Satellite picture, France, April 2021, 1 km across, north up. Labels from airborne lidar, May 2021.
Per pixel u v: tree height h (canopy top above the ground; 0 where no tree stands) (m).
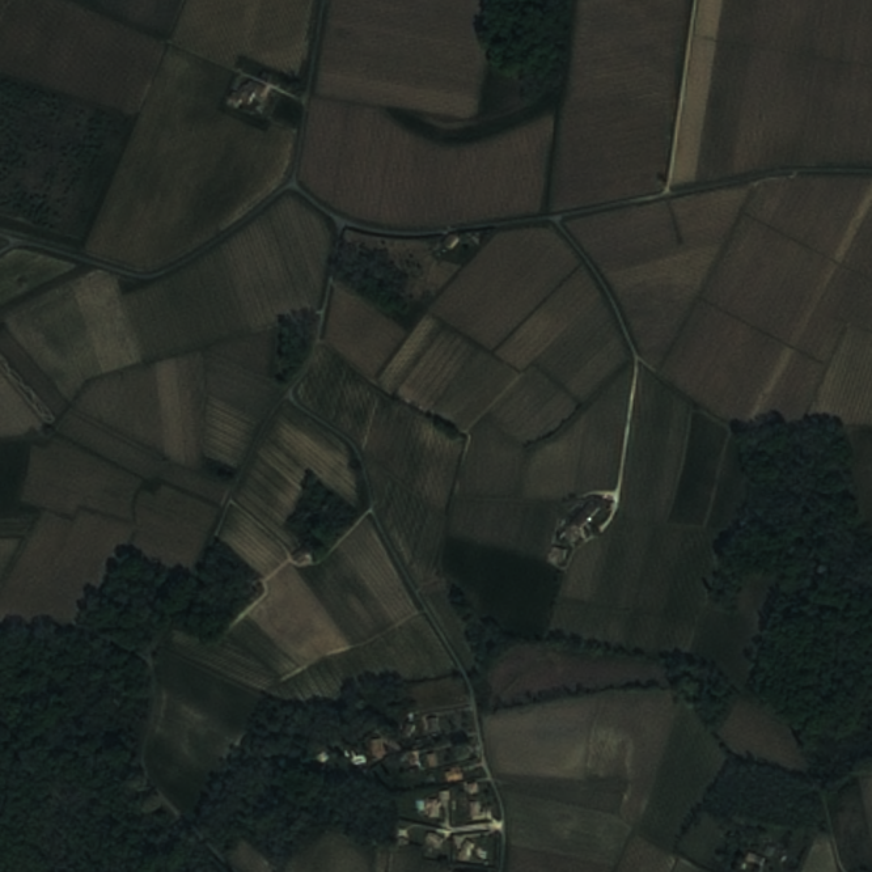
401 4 0
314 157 0
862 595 20
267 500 0
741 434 21
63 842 19
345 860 0
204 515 0
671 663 14
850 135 0
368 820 13
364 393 0
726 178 0
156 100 0
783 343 0
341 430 0
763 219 0
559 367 0
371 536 0
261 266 0
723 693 19
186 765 0
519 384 0
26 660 19
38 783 21
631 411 0
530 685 0
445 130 0
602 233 0
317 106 0
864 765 17
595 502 0
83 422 0
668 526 0
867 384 0
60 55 0
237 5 0
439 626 0
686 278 0
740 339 0
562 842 0
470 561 0
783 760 0
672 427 0
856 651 24
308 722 20
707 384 0
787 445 16
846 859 0
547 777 0
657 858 0
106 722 10
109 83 0
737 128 0
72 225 0
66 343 0
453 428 14
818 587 18
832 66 0
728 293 0
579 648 19
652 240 0
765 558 24
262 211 0
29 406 0
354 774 12
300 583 0
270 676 0
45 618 0
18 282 0
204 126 0
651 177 0
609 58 0
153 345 0
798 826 14
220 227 0
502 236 0
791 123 0
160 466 0
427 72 0
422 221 0
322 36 0
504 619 0
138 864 25
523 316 0
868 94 0
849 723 26
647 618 0
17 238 0
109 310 0
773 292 0
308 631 0
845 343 0
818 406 0
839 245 0
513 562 0
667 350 0
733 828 20
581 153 0
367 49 0
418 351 0
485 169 0
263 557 0
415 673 0
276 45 0
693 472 0
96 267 0
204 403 0
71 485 0
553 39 19
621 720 0
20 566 0
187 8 0
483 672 15
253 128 0
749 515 17
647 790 0
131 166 0
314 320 15
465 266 0
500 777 0
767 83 0
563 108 0
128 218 0
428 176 0
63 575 0
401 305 17
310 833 8
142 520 0
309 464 0
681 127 0
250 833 12
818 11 0
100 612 19
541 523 0
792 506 23
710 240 0
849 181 0
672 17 0
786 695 28
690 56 0
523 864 0
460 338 0
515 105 0
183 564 0
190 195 0
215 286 0
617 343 0
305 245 0
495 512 0
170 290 0
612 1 0
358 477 18
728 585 18
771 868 6
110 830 16
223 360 0
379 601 0
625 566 0
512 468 0
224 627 14
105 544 0
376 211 0
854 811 0
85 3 0
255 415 0
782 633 26
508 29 22
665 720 0
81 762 26
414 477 0
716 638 0
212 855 13
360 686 15
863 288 0
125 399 0
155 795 28
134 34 0
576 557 0
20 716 23
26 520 0
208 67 0
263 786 18
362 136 0
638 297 0
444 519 0
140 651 11
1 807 23
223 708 0
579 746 0
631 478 0
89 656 16
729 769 12
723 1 0
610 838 0
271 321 0
